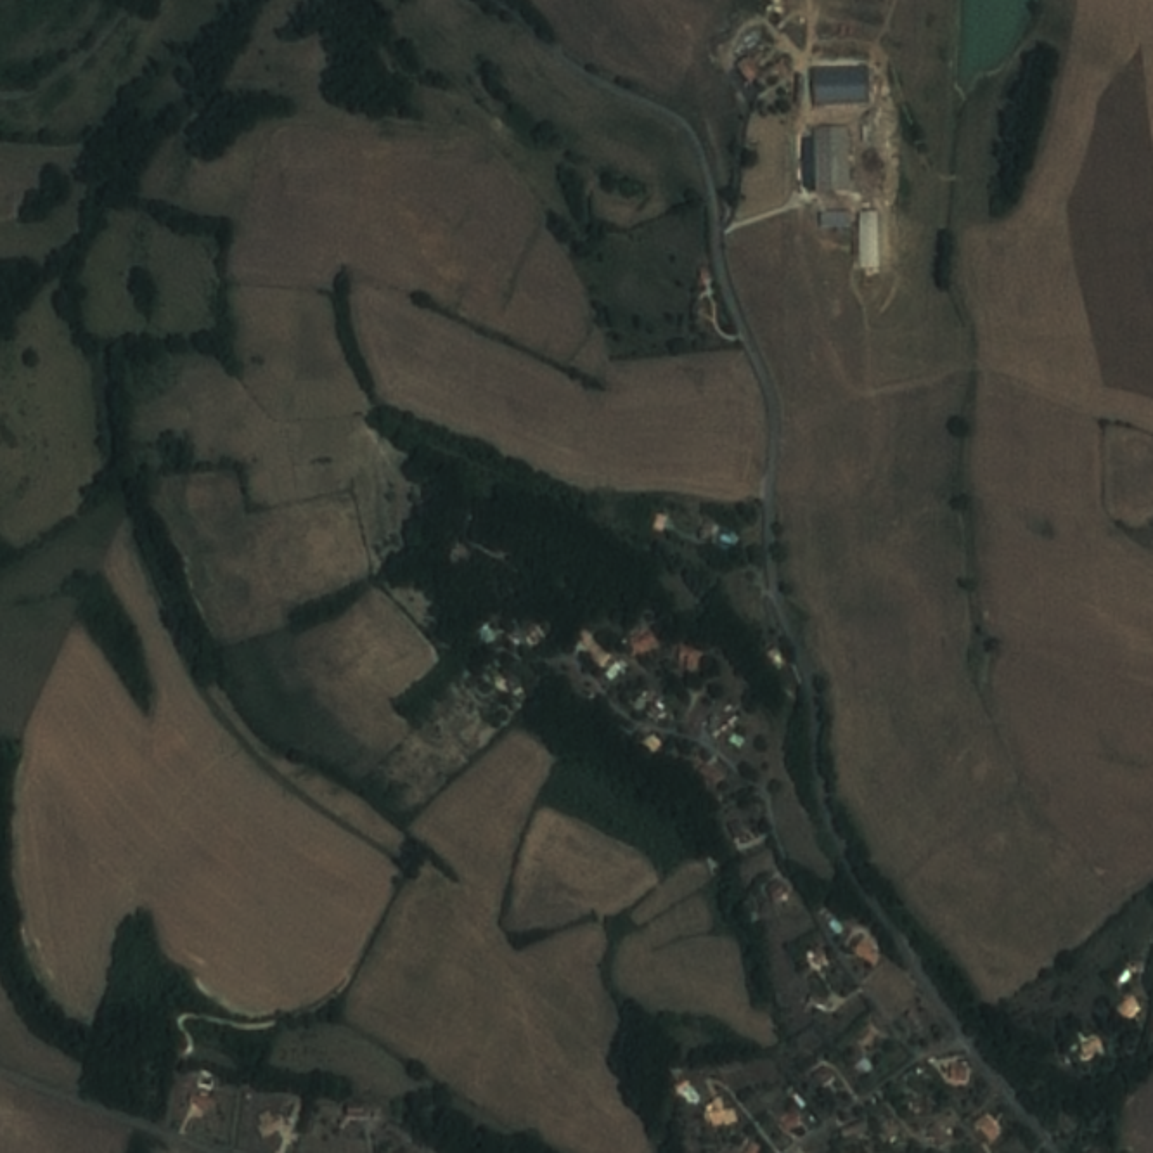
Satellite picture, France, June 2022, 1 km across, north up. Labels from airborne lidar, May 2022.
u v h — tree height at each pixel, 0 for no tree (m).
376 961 0
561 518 16
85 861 0
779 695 16
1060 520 0
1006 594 0
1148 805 0
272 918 0
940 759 0
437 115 0
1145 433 0
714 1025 6
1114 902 0
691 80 0
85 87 0
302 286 0
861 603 0
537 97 0
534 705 16
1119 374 0
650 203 0
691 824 16
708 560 12
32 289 18
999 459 0
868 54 0
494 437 0
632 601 11
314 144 0
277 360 0
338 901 0
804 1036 6
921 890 0
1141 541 0
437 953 0
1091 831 0
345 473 0
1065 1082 11
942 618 0
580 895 0
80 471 0
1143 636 0
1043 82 11
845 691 0
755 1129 6
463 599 11
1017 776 0
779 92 6
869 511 0
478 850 0
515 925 0
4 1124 0
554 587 10
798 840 0
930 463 0
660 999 0
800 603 0
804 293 0
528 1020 0
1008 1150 0
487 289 0
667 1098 8
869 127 0
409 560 16
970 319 0
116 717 0
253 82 0
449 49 0
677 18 0
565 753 13
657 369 0
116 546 0
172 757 0
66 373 0
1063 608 0
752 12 0
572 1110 0
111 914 0
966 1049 0
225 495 0
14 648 0
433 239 0
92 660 0
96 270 0
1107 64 0
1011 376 0
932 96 0
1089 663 0
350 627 0
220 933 0
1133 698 0
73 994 0
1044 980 8
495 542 10
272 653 0
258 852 0
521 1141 18
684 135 0
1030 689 0
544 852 0
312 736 0
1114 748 0
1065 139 0
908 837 0
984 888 0
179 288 0
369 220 0
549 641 11
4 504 0
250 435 0
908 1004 0
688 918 0
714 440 0
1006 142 12
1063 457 0
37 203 11
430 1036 0
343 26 12
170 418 0
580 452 0
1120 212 0
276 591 0
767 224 0
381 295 0
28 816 0
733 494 0
